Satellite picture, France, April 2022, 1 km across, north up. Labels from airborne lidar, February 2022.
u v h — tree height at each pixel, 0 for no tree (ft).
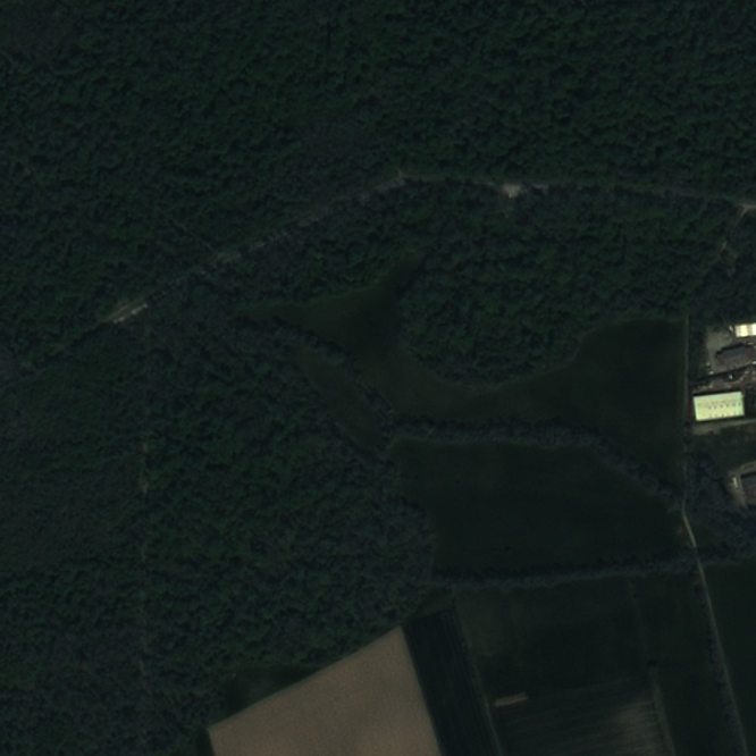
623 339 0
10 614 86
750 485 0
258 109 55
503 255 61
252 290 66
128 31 89
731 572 0
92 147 84
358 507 87
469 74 88
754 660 0
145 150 69
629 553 0
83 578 54
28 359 64
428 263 49
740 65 77
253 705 0
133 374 63
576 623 0
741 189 68
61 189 87
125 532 39
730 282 93
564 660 0
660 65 77
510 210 65
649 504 0
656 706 0
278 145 54
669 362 0
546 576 68
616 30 92
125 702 81
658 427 0
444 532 0
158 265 78
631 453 0
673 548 0
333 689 0
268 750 0
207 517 80
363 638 43
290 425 73
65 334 70
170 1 81
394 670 0
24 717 57
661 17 78
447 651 0
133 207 76
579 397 0
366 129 45
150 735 85
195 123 73
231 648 41
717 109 73
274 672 0
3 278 47
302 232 57
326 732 0
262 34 69
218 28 73
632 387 0
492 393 0
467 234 84
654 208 81
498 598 0
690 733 0
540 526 0
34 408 49
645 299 60
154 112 80
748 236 84
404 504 52
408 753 0
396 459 0
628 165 78
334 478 84
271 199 72
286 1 61
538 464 0
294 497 76
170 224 55
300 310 0
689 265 73
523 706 0
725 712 31
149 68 80
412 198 71
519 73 93
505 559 0
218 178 72
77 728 82
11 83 58
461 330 90
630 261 64
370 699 0
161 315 72
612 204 71
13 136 85
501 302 91
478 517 0
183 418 83
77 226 84
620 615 0
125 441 57
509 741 0
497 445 0
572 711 0
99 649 68
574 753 0
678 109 73
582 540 0
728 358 0
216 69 67
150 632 96
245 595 83
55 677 83
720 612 0
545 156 80
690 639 0
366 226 77
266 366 90
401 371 0
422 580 92
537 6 77
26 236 90
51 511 28
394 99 61
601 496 0
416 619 0
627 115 74
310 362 0
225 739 0
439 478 0
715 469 57
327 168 70
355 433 0
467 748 0
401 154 65
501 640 0
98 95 61
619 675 0
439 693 0
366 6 87
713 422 0
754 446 0
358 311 0
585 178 66
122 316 0
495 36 83
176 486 72
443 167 62
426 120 76
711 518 68
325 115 51
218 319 85
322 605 45
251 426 82
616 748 0
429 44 69
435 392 0
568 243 41
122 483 47
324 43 66
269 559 92
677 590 0
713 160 80
